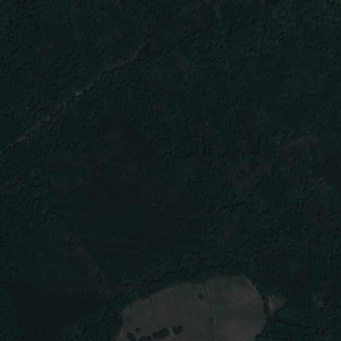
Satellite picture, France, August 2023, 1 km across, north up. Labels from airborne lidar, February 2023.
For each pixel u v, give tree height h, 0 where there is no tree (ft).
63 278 46
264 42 46
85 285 48
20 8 67
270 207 76
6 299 62
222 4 36
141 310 0
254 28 29
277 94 56
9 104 67
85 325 72
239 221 58
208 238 36
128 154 46
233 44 35
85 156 46
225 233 61
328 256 66
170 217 33
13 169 70
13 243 70
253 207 78
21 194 50
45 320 52
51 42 46
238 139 62
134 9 58
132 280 73
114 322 61
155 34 53
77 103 57
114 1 43
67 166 47
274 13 92
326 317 77
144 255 43
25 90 73
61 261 56
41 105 65
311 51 38
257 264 58
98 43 65
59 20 55
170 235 31
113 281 39
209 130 68
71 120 46
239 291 0
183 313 0
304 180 63
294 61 55
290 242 64
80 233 35
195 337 0
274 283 64
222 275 52
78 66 73
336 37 67
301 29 61
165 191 48
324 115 70
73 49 48
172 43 38
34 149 61
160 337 52
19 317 65
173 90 55
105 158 42
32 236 57
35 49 67
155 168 46
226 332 0
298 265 62
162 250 35
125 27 68
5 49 70
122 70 44
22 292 59
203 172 77
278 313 37
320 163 54
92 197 26
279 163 62
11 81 58
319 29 71
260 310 0
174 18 35
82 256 43
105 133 48
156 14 70
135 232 33
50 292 63
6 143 52
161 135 69
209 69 57
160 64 70
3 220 72
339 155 67
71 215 34
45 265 47
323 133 63
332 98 66
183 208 80
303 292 63
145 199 59
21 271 61
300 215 84
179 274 76
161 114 72
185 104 69
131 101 74
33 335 65
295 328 75
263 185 68
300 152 40
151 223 37
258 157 53
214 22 25
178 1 72
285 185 55
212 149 64
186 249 41
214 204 91
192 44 61
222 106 72
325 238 83
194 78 58
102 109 66
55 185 51
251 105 44
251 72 62
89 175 52
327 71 27
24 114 57
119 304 72
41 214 36
